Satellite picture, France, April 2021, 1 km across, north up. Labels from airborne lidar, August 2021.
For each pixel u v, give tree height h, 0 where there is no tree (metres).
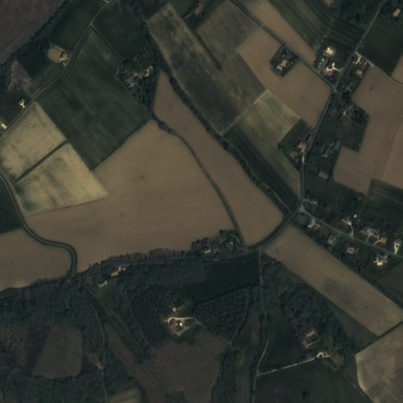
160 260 18
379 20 0
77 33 0
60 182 0
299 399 0
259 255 0
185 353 17
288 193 0
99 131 0
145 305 14
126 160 0
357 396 0
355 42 0
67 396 20
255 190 0
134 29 0
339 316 0
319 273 0
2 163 0
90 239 0
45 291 18
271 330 20
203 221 0
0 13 0
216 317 15
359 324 0
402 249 0
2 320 10
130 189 0
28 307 18
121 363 17
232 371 21
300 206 0
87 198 0
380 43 0
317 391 0
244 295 13
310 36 0
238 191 0
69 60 0
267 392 0
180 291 14
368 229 0
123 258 11
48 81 0
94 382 15
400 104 0
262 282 12
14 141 0
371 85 0
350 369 0
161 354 13
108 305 0
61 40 0
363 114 17
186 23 6
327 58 9
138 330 10
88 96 0
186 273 14
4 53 0
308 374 0
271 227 0
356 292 0
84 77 0
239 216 0
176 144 0
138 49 0
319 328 7
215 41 0
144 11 7
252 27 0
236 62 0
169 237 0
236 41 0
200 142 0
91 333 18
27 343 7
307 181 0
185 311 0
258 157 0
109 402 0
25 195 0
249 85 0
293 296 10
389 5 12
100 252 0
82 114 0
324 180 6
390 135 0
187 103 20
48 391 18
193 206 0
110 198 0
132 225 0
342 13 15
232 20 0
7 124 0
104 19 0
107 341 18
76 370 0
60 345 0
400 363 0
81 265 0
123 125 0
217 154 0
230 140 0
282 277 9
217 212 0
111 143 0
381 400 0
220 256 12
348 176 0
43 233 0
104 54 0
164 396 20
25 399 13
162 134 0
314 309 21
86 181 0
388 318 0
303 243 0
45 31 9
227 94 0
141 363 18
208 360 18
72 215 0
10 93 34
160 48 12
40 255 0
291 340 0
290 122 0
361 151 0
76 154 0
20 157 0
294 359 0
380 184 0
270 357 0
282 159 0
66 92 0
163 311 14
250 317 18
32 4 0
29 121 0
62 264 0
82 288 13
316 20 0
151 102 16
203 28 0
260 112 0
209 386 19
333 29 0
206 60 0
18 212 0
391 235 0
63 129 0
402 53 0
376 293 0
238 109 0
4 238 0
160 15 0
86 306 18
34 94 0
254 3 0
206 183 0
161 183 0
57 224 0
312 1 0
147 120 0
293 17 0
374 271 0
